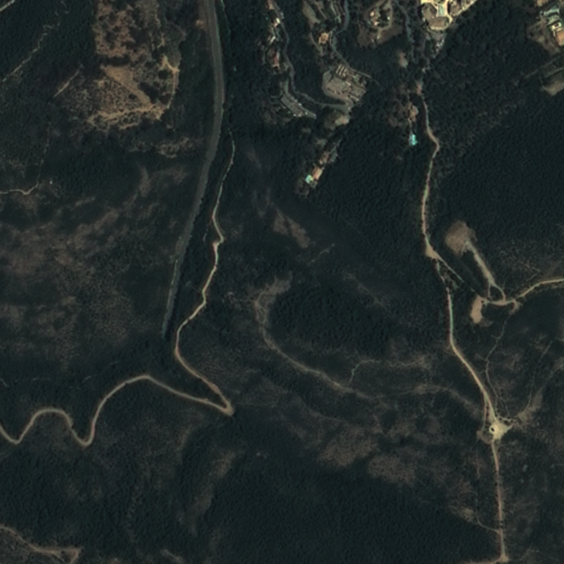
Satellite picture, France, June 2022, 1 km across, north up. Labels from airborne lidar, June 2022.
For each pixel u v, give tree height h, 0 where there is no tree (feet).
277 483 23
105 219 0
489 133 27
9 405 32
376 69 46
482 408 0
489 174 25
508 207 26
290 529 28
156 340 34
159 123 32
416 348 25
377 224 36
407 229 23
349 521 33
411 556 24
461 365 0
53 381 22
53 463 30
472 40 46
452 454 19
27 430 0
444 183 30
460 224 0
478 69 46
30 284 0
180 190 19
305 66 20
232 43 38
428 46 32
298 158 31
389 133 39
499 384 0
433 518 26
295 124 39
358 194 40
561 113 37
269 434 28
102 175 37
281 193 24
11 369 24
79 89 49
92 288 25
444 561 28
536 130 31
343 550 22
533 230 23
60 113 25
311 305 40
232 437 31
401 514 35
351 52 33
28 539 25
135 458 26
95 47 36
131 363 24
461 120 41
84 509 34
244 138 35
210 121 37
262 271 30
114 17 45
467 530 25
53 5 23
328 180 37
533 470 35
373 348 31
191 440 19
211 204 34
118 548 34
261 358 18
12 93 23
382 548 25
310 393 23
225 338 31
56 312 0
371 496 32
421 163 39
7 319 21
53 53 27
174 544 41
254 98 31
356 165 39
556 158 34
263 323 0
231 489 32
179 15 39
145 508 42
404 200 29
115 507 38
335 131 19
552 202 19
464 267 21
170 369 43
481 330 19
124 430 29
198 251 31
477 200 32
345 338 31
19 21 26
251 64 36
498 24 55
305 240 0
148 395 27
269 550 28
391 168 38
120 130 40
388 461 0
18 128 27
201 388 35
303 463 28
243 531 28
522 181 23
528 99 38
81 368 24
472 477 23
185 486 32
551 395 41
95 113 26
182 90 41
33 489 38
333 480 40
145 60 31
